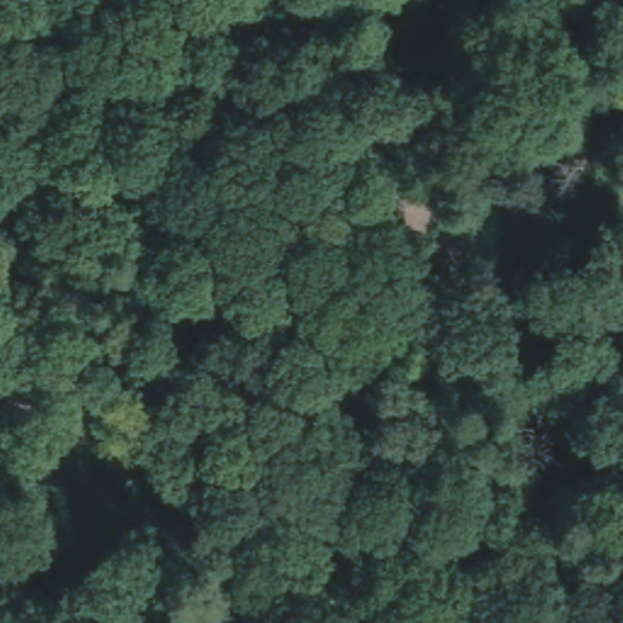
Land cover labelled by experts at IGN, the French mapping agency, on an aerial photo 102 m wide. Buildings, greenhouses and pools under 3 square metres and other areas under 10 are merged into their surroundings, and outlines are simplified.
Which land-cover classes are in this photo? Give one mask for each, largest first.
<instances>
[{"label":"deciduous trees","instance_id":"1","mask_svg":"<svg viewBox=\"0 0 623 623\"><path fill-rule=\"evenodd\" d=\"M0 623H623V0H0Z\"/></svg>","mask_w":623,"mask_h":623}]
</instances>
